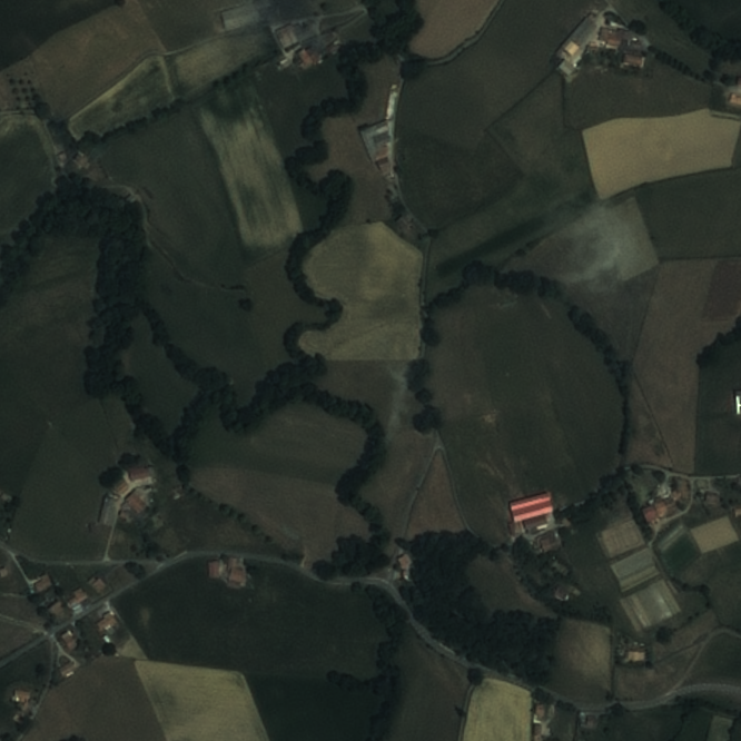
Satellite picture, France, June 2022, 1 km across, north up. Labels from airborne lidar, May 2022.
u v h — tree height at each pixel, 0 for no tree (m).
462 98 0
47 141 0
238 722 0
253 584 0
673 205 0
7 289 22
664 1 13
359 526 0
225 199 0
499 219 0
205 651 0
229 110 0
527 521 0
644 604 0
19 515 0
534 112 0
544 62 0
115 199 17
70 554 0
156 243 0
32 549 0
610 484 19
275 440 0
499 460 0
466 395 0
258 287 0
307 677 0
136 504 0
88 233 19
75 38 0
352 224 0
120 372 16
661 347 0
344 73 16
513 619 16
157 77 0
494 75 0
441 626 22
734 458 0
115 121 0
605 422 0
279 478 0
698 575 0
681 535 0
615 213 0
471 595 23
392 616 24
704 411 0
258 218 0
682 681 0
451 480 0
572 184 0
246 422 26
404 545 17
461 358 0
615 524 0
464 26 0
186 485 6
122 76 0
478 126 0
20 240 25
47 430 0
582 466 0
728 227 0
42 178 0
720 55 16
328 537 0
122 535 0
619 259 0
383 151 0
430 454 0
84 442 0
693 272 0
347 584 0
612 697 7
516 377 0
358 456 0
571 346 0
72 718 0
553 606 6
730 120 0
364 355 0
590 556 0
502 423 0
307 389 24
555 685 0
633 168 0
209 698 0
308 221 0
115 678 0
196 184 0
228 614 0
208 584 0
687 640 0
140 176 0
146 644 0
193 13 0
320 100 0
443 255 0
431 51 0
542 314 0
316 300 13
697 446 0
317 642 0
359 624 0
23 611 0
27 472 0
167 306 0
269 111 0
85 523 0
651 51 11
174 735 0
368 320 0
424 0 0
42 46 0
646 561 0
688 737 0
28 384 0
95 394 20
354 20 0
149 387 0
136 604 0
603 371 0
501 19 0
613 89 0
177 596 0
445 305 14
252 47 0
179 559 0
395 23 25
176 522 0
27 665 0
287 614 0
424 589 21
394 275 0
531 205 0
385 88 0
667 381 0
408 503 0
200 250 0
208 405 21
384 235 0
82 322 0
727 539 0
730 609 0
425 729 0
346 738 0
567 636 0
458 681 0
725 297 0
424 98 0
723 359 0
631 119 0
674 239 0
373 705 0
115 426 0
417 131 0
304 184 14
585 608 0
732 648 0
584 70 0
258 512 0
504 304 0
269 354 0
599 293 0
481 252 0
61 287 0
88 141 10
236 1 0
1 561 0
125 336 23
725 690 0
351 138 0
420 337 0
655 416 0
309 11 0
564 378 0
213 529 0
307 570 0
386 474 0
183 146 0
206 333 0
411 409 0
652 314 0
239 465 0
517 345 0
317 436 0
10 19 0
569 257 0
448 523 0
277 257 0
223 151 0
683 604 0
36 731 0
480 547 19
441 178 0
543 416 0
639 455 0
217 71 0
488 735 0
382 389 0
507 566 0
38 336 0
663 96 0
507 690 0
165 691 0
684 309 0
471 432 0
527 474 0
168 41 0
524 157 0
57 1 0
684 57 0
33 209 0
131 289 24
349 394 0
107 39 0
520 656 19
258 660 0
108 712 0
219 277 0
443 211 0
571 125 0
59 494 0
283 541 0
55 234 21
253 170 0
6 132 0
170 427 0
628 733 0
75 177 15
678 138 0
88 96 0
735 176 0
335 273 0
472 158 0
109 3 0
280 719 0
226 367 0
